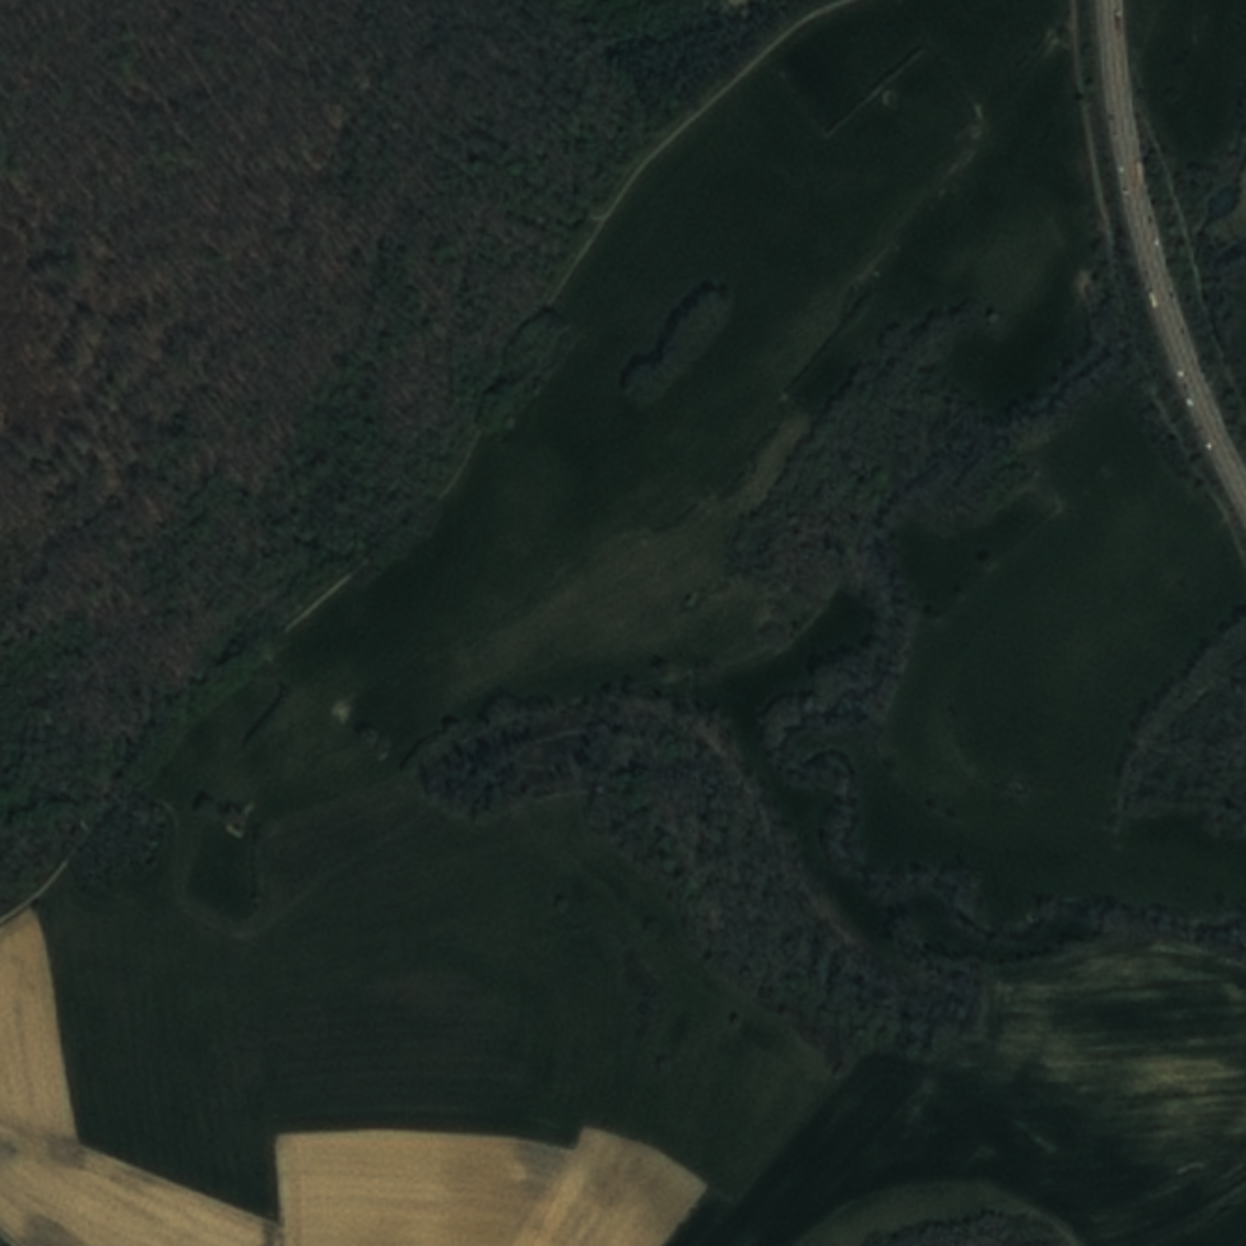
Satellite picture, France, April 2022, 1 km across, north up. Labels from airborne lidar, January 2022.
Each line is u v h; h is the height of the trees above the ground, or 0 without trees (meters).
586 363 0
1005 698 0
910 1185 0
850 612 0
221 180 27
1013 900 0
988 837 0
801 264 0
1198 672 15
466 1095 0
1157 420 13
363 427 23
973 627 0
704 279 0
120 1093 0
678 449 0
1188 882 0
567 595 0
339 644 0
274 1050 0
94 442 32
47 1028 0
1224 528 0
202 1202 0
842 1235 0
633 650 0
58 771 26
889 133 0
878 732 22
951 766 0
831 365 0
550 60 28
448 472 21
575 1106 0
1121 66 0
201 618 24
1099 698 0
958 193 0
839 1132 0
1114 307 15
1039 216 0
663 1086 0
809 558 23
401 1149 0
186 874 0
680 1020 0
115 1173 0
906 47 0
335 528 24
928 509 27
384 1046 0
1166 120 0
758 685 0
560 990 0
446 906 0
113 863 22
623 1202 0
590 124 31
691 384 0
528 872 0
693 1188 0
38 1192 0
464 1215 0
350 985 0
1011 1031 0
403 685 0
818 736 20
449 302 24
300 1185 0
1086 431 0
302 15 29
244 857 0
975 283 0
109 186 28
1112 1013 0
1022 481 26
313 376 28
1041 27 0
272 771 0
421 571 0
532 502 0
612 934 0
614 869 0
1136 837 0
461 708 0
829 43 0
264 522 23
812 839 0
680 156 0
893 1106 0
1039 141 0
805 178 0
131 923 0
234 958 0
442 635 0
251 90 29
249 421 26
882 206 0
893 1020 25
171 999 0
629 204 0
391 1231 0
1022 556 0
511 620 0
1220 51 0
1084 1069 0
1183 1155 0
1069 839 0
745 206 0
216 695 18
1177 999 0
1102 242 7
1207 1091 0
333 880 0
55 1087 0
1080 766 0
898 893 17
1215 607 0
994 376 0
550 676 0
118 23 26
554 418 0
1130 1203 0
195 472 26
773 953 25
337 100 31
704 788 24
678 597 0
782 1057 0
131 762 15
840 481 25
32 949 0
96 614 25
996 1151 0
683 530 0
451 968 0
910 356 21
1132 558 0
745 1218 0
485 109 30
